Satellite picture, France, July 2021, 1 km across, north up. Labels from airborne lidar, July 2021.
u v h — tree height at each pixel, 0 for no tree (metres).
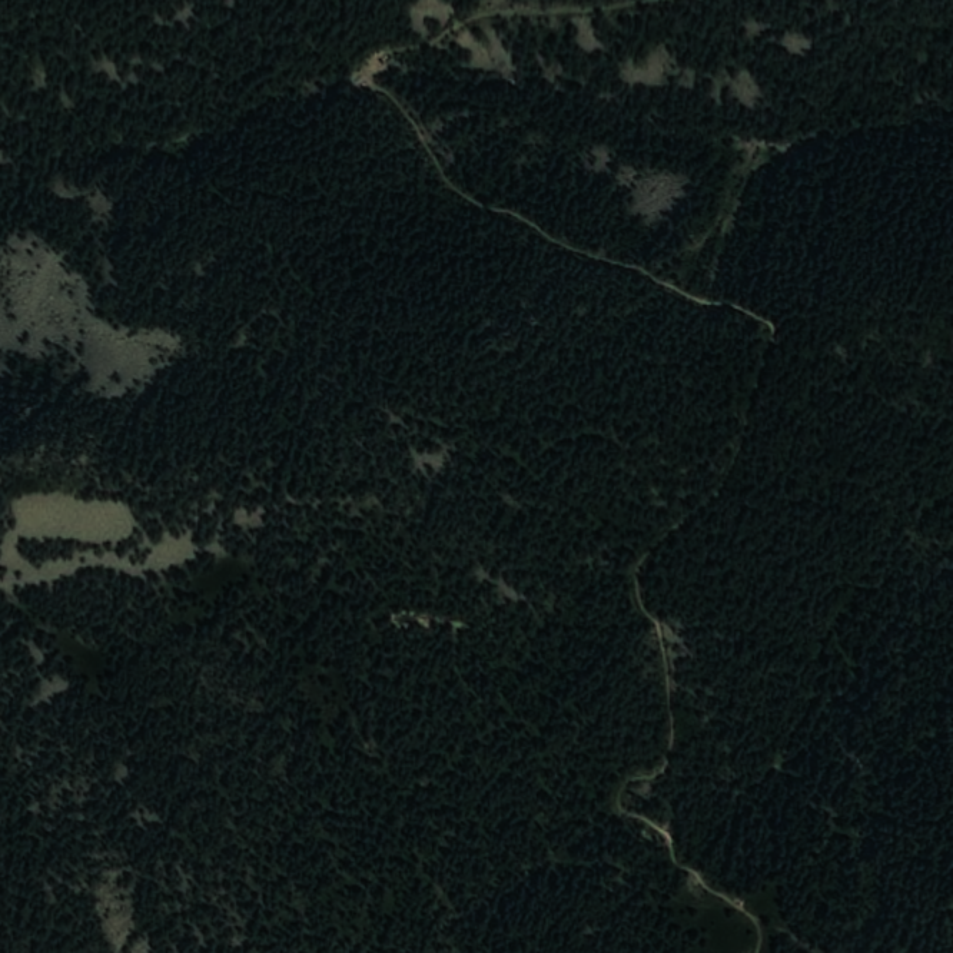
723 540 25
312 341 10
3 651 19
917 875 26
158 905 23
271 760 18
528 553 30
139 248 22
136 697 22
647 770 8
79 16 22
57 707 16
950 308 22
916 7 26
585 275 19
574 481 23
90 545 10
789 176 11
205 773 27
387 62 8
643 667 14
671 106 29
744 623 7
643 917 25
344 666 25
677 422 12
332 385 16
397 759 20
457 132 26
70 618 14
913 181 34
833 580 25
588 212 29
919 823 21
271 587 17
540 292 6
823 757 20
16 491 12
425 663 20
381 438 13
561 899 21
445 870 22
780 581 31
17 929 15
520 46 31
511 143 21
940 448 12
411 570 9
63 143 31
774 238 25
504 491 10
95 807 21
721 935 0
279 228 24
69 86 18
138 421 22
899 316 19
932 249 29
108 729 10
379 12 25
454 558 23
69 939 21
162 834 19
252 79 27
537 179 23
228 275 28
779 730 14
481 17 0
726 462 7
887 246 27
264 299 29
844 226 19
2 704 15
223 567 0
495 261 25
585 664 22
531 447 24
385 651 7
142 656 18
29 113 24
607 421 24
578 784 8
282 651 25
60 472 12
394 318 24
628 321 9
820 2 31
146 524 17
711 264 7
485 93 27
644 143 26
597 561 30
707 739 22
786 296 22
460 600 26
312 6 30
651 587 27
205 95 23
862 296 20
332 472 12
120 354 0
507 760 23
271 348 18
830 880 7
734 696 29
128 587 26
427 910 15
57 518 0
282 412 7
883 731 30
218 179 26
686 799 29
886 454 22
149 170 27
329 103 26
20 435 16
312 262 22
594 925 23
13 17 8
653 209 0
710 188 8
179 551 0
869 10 24
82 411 21
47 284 0
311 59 30
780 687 24
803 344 29
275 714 27
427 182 20
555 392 22
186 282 23
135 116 26
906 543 12
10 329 0
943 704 10
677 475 9
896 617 9
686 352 22
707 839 8
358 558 8
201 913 20
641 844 17
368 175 24
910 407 7
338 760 32
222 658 25
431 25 24
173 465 17
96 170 30
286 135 25
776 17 31
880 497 10
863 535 28
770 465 21
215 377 28
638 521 23
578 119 30
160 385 27
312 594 26
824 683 22
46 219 21
